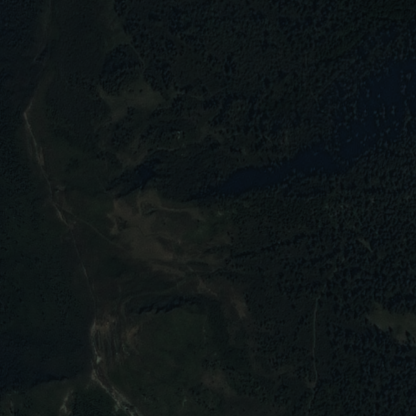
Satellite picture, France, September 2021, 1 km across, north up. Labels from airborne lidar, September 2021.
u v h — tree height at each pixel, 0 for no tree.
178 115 9
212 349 0
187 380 0
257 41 7
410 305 23
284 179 8
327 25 15
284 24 16
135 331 0
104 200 0
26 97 0
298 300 12
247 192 10
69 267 0
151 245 0
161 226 0
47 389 0
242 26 8
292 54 10
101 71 0
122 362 0
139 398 0
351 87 10
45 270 0
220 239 0
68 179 0
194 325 0
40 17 0
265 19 12
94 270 0
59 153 0
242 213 8
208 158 0
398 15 21
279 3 18
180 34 12
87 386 0
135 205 0
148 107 0
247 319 0
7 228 0
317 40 7
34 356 0
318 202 7
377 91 9
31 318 0
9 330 0
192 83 0
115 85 7
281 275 7
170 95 0
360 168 18
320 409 14
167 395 0
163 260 0
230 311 0
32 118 0
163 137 9
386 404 17
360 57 12
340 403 11
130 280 0
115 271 0
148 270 0
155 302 0
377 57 8
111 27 0
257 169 0
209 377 0
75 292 0
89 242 0
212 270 0
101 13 0
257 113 11
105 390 0
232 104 14
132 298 0
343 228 24
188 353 0
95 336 0
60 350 0
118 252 0
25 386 0
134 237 0
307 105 7
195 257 0
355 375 8
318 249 10
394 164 24
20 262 0
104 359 0
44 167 0
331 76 8
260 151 15
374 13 11
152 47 13
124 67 8
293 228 10
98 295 0
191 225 0
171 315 0
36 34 0
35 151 0
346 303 23
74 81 6
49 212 0
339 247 21
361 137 9
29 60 0
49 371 0
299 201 10
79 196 0
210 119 0
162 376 0
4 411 0
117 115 0
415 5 22
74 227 0
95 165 0
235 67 15
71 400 0
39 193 0
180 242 0
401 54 11
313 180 15
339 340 21
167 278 0
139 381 0
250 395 9
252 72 7
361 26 20
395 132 9
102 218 0
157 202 0
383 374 22
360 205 20
